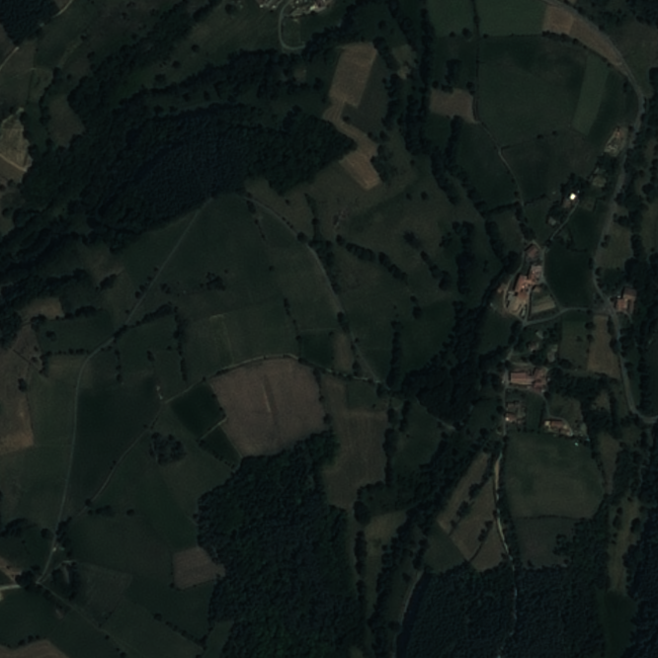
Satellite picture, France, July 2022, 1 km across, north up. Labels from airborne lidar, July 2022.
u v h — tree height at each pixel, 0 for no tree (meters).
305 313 0
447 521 0
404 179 0
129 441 0
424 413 0
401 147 0
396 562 18
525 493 0
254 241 0
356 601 20
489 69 0
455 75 19
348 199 0
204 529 14
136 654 0
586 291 0
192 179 31
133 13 0
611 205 0
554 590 14
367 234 0
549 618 23
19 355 0
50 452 0
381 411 0
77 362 0
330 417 13
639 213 20
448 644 21
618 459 8
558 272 0
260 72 17
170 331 0
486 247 0
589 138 0
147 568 0
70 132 0
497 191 0
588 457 0
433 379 23
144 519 0
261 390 0
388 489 8
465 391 25
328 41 26
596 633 14
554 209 7
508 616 22
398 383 22
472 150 0
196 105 0
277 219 0
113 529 0
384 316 0
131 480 0
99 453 0
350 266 0
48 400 0
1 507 0
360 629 18
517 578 11
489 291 8
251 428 0
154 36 12
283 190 13
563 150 0
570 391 11
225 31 0
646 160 18
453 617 21
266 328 0
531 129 0
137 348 0
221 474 0
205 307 0
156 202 29
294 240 0
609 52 0
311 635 22
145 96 25
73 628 0
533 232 15
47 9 18
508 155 0
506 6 0
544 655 20
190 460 0
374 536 0
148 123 20
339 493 0
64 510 0
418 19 0
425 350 0
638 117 0
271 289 0
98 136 10
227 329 0
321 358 0
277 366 0
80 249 0
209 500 7
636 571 11
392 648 19
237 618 11
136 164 16
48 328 0
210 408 0
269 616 18
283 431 0
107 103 22
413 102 17
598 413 6
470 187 15
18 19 24
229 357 0
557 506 0
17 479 0
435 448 0
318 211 8
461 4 0
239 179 21
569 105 0
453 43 0
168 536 0
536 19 0
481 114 0
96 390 0
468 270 32
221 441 0
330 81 0
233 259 0
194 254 0
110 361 0
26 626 0
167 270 0
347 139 16
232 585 12
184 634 10
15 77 0
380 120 0
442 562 0
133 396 0
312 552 19
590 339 10
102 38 0
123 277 0
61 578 10
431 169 0
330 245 20
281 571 7
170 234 0
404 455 0
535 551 0
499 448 10
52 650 0
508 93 0
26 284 21
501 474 6
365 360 0
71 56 0
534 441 0
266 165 16
